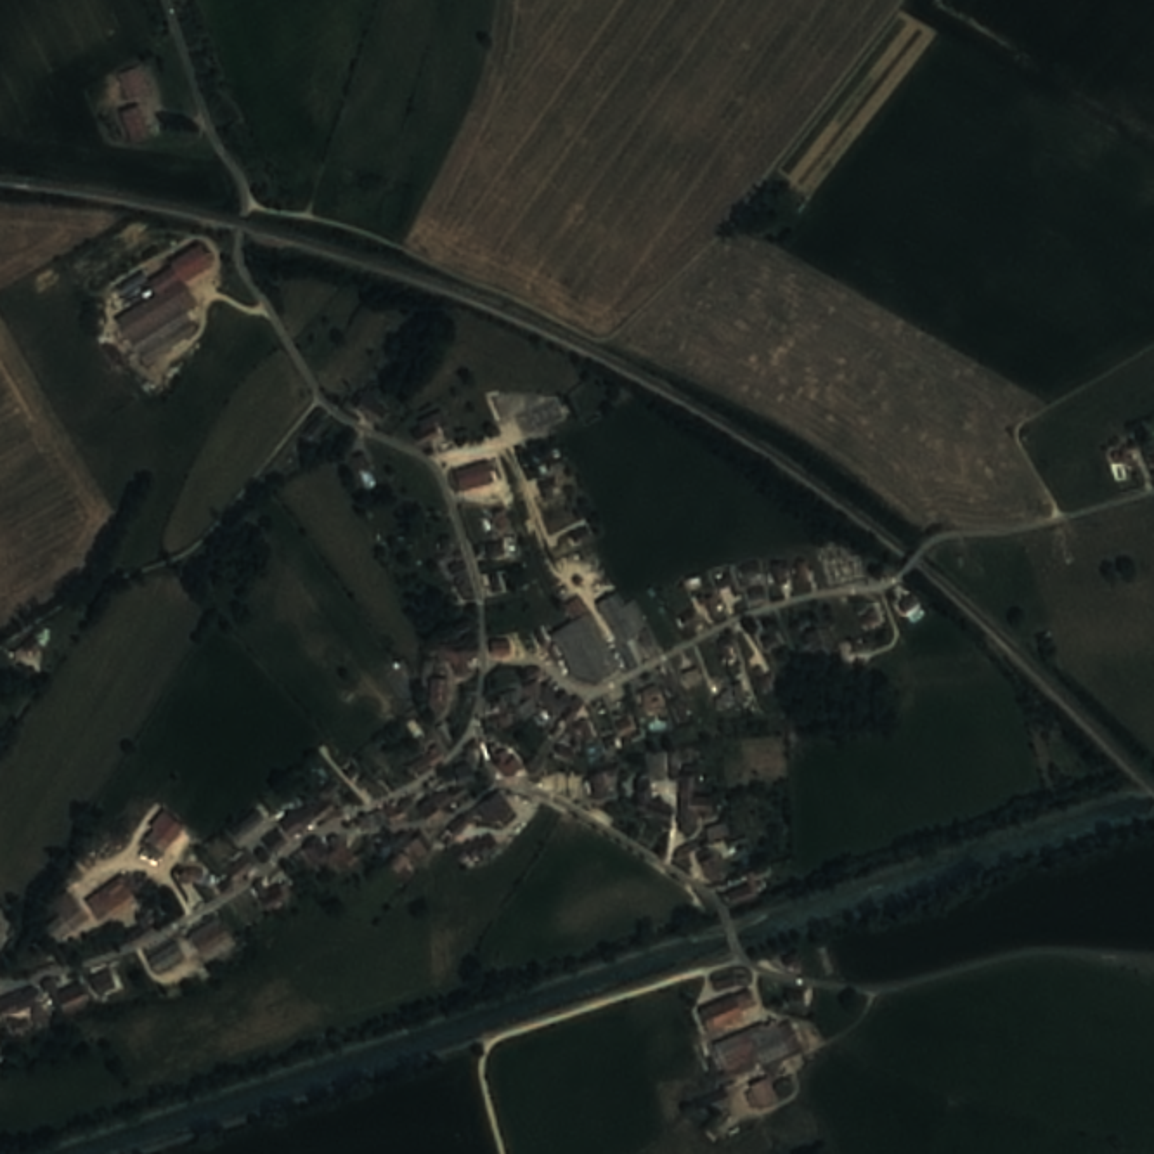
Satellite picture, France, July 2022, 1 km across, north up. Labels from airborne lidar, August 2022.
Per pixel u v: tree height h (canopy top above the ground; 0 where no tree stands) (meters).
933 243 0
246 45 0
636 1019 0
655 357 0
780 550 0
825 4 0
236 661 0
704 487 0
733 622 0
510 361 0
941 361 0
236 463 0
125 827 0
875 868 10
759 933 0
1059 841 0
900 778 0
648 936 17
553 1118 0
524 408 0
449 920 0
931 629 0
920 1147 0
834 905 0
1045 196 0
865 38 0
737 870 10
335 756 0
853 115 0
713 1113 15
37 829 0
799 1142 0
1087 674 0
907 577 5
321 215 0
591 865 0
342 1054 17
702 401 11
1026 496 0
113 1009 11
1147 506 0
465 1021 0
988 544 0
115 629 0
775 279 0
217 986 14
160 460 0
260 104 0
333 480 0
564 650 0
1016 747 0
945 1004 0
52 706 0
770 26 0
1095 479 0
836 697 14
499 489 0
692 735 0
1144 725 0
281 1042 0
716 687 0
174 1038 0
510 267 0
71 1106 0
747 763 0
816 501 10
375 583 0
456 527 0
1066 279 0
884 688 24
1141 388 0
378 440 0
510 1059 0
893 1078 0
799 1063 0
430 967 0
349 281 11
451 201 0
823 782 0
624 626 0
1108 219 0
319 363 0
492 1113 0
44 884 13
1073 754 0
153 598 0
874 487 0
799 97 0
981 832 15
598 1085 0
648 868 0
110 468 0
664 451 0
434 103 0
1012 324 0
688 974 0
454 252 0
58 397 0
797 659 13
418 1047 0
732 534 0
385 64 0
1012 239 0
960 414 0
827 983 0
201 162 0
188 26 5
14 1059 17
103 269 0
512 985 19
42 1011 0
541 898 0
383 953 0
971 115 0
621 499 0
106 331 0
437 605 20
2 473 0
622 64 0
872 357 0
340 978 0
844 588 0
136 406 0
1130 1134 0
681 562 0
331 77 0
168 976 0
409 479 0
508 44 0
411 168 0
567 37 0
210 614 12
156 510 0
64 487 0
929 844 19
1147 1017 0
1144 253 0
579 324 0
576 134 0
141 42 0
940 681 0
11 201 6
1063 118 0
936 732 0
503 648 0
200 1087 17
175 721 0
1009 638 0
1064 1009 0
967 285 0
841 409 0
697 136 0
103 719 0
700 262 0
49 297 0
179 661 0
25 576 0
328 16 0
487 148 0
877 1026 0
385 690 0
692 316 0
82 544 0
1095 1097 0
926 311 0
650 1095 0
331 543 0
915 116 0
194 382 0
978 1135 0
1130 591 0
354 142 0
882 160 0
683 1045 0
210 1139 20
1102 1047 0
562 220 0
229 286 0
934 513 0
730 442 12
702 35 0
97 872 0
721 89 0
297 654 0
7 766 0
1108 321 0
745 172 0
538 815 0
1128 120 0
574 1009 0
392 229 0
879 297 0
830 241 0
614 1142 0
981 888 20
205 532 0
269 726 0
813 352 0
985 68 0
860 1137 0
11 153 0
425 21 0
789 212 0
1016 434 0
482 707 0
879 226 0
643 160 0
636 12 0
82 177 0
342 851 0
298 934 0
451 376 0
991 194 0
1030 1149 0
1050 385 0
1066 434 0
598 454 0
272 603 0
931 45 0
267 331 0
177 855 0
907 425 0
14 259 0
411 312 9
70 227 0
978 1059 0
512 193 0
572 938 0
